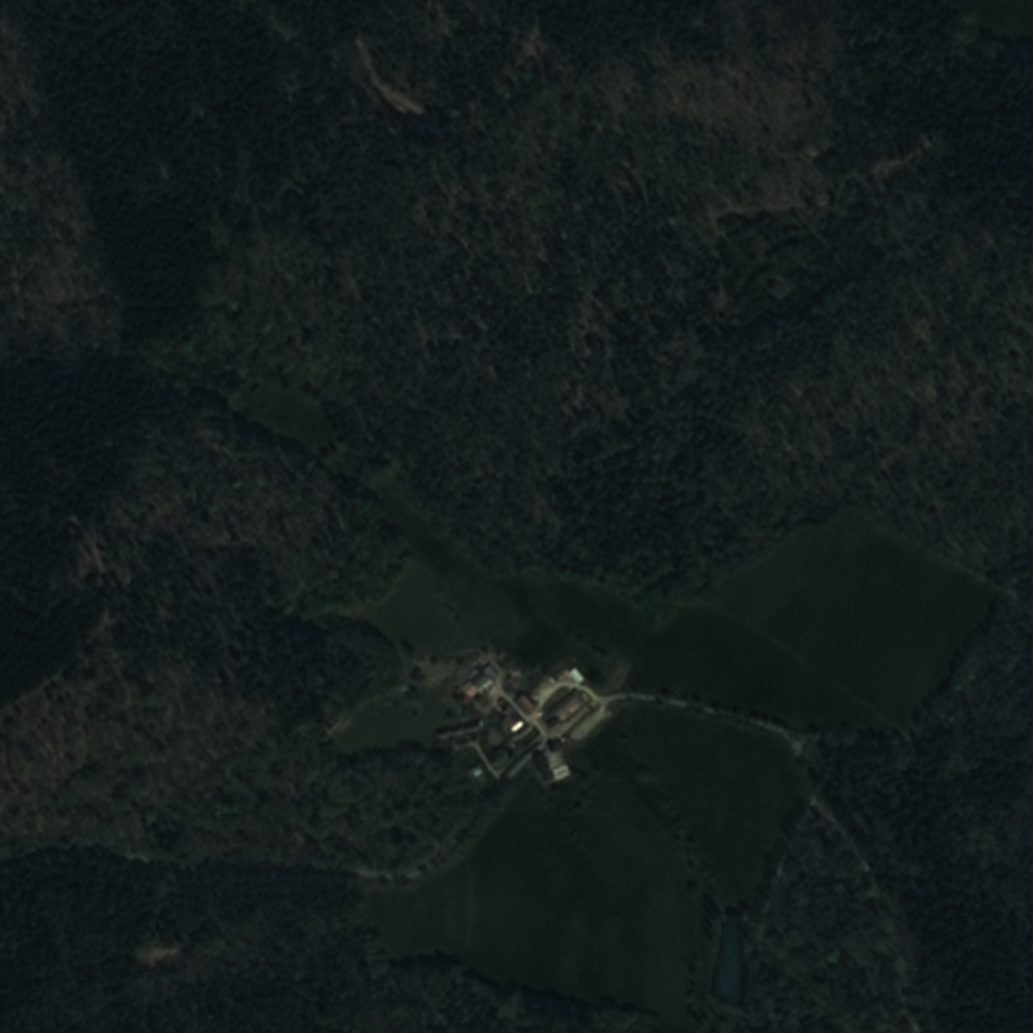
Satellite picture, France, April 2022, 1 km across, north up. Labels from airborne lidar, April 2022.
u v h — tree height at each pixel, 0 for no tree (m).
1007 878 24
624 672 0
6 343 29
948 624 0
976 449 22
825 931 26
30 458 23
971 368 27
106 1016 15
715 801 0
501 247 20
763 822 0
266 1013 17
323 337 25
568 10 24
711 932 0
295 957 18
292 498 29
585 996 0
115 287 17
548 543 26
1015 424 26
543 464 25
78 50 30
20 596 12
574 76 20
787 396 24
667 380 23
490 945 0
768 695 0
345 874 22
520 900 0
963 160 29
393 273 14
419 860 20
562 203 21
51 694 9
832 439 26
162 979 13
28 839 20
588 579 25
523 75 23
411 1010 28
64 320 25
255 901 20
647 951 0
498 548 25
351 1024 17
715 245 24
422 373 20
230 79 30
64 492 25
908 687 0
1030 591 24
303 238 23
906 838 35
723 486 24
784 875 29
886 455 22
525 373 22
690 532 30
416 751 18
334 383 23
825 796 20
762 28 18
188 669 29
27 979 19
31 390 28
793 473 24
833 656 0
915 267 23
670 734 0
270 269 26
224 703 34
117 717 9
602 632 0
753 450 22
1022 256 27
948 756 32
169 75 30
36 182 20
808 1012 27
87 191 22
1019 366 27
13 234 21
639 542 29
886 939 30
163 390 28
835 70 13
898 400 22
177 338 25
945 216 27
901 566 0
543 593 0
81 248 17
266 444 30
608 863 0
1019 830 25
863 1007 26
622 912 0
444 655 0
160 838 19
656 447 26
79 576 22
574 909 0
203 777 7
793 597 0
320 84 33
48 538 21
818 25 23
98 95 26
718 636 0
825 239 7
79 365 21
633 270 22
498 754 7
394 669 24
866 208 14
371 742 0
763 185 21
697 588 25
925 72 30
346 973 22
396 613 0
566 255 30
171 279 21
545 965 0
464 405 21
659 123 19
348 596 24
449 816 23
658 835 0
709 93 20
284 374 22
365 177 16
